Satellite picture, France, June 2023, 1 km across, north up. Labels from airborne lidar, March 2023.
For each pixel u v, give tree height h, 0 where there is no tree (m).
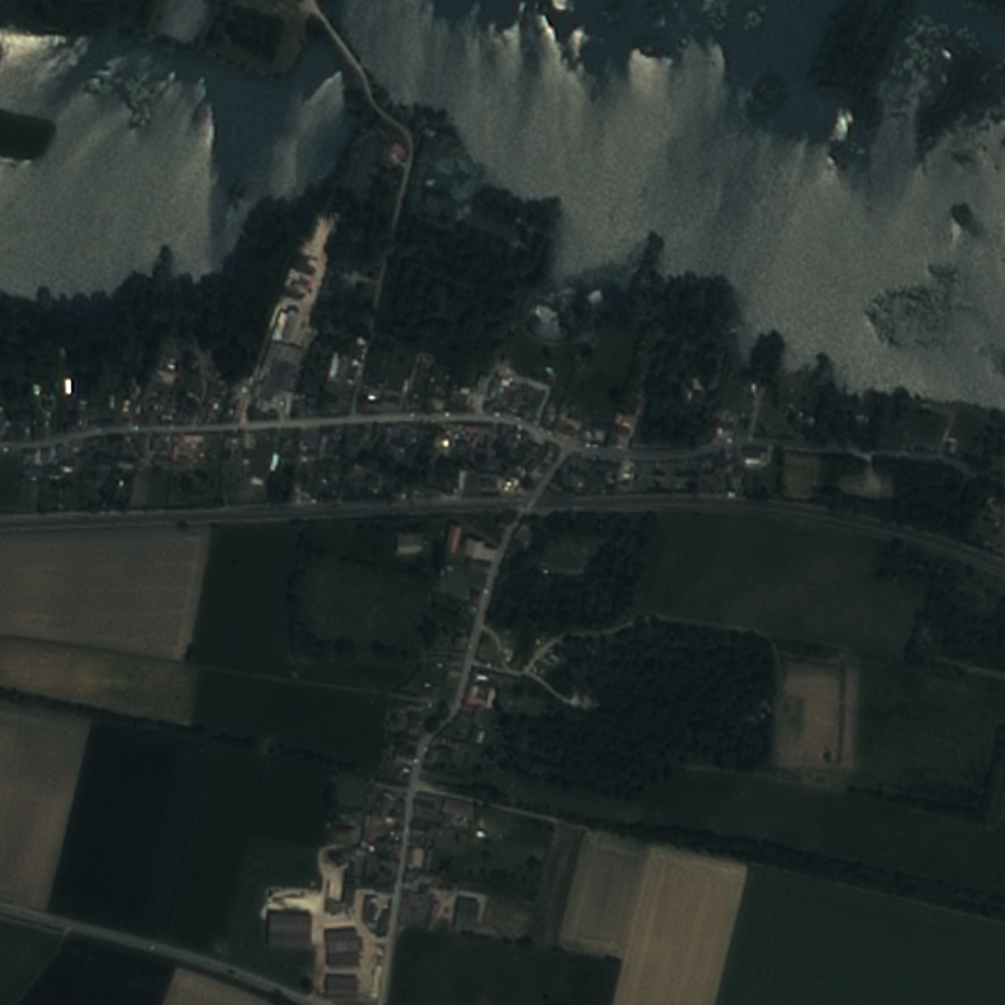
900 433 0
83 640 0
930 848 0
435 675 0
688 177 0
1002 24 0
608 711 16
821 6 0
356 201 26
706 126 0
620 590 12
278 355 0
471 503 0
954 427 0
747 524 0
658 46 0
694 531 0
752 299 0
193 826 0
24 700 7
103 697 0
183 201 0
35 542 0
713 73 0
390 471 8
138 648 0
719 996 0
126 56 0
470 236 14
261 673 0
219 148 0
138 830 0
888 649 0
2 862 0
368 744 0
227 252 0
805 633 0
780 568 0
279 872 0
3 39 0
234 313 36
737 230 0
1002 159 0
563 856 0
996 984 0
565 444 0
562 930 0
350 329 11
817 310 0
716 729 18
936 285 0
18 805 0
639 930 0
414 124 12
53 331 29
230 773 0
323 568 0
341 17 0
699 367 19
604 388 0
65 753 0
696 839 6
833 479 0
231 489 0
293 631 8
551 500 0
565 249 0
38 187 0
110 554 0
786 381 0
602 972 0
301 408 0
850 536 0
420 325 12
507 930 0
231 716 0
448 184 0
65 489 10
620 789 12
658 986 0
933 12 0
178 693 0
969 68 0
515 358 0
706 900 0
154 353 12
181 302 13
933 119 0
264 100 0
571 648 6
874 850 0
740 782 0
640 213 0
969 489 10
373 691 0
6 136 0
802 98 0
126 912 0
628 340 0
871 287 0
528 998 0
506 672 0
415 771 0
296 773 0
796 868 9
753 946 0
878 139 0
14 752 0
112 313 25
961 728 0
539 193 0
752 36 0
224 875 0
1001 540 0
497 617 11
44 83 0
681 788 0
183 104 0
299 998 0
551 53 0
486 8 0
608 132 0
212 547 0
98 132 0
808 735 0
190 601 0
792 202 0
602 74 0
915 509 14
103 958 0
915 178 0
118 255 0
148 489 0
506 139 0
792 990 0
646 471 0
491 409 0
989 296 0
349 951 0
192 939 0
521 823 0
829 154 0
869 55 9
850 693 0
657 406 15
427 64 0
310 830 0
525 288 7
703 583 0
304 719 0
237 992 0
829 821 0
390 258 11
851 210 0
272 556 0
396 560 0
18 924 0
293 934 0
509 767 12
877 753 0
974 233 0
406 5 0
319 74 0
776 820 0
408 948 0
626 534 21
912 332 0
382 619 0
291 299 0
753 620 0
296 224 24
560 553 0
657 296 18
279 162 0
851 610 0
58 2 18
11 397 18
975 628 7
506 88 0
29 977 0
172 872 0
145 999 0
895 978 0
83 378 15
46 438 0
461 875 0
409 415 0
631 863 0
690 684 15
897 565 0
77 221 0
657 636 13
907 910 0
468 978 0
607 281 0
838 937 0
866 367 0
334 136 0
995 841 0
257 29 22
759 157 0
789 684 0
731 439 0
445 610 0
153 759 0
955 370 0
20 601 0
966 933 0
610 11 0
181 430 0
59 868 0
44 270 0
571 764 14
